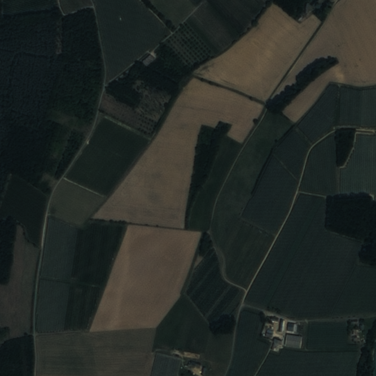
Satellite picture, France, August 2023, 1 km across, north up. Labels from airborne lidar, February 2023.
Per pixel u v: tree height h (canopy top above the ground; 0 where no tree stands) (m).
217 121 0
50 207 0
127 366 0
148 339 0
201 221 0
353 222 24
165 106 12
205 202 0
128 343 0
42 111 20
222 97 0
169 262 0
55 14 19
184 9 0
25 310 0
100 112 6
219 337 0
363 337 0
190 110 0
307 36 0
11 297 0
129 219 0
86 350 0
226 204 0
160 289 0
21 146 19
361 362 8
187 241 0
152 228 0
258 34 0
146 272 0
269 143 0
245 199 0
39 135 16
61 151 0
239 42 0
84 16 14
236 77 0
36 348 0
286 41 0
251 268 0
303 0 17
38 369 0
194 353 0
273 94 0
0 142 21
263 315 12
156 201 0
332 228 21
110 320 0
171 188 0
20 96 19
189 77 0
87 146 0
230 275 0
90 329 0
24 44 17
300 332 0
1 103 18
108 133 0
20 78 16
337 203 20
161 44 7
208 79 0
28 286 0
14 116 20
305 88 8
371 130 0
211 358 0
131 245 0
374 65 0
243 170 0
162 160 0
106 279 0
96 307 0
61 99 9
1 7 13
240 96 0
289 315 0
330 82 0
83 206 0
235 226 0
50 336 0
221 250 0
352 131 10
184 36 7
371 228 25
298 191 0
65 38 18
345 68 0
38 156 18
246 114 0
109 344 0
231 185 0
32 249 0
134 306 0
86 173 0
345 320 0
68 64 8
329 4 21
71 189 0
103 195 0
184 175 0
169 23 16
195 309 0
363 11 0
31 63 17
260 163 0
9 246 14
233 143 0
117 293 0
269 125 0
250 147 0
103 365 0
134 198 0
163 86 18
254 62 0
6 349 6
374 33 0
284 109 15
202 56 8
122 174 0
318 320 0
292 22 0
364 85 0
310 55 0
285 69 0
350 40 0
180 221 0
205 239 11
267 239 0
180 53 7
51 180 0
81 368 0
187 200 0
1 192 17
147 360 0
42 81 18
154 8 11
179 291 0
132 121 0
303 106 0
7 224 15
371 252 30
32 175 20
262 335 8
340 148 9
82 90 6
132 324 0
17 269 0
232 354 0
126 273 0
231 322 20
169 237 0
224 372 0
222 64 0
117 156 0
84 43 13
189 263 0
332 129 0
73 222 0
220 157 0
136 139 0
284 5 13
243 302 0
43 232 0
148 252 0
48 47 17
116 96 11
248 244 0
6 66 16
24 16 16
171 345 0
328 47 0
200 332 0
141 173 0
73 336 0
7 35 18
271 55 0
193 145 0
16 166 22
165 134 0
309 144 0
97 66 9
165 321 0
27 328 0
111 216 0
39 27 19
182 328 0
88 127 0
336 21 0
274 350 0
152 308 0
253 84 0
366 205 21
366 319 0
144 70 12
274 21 0
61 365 0
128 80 9
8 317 0
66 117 0
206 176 13
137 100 9
